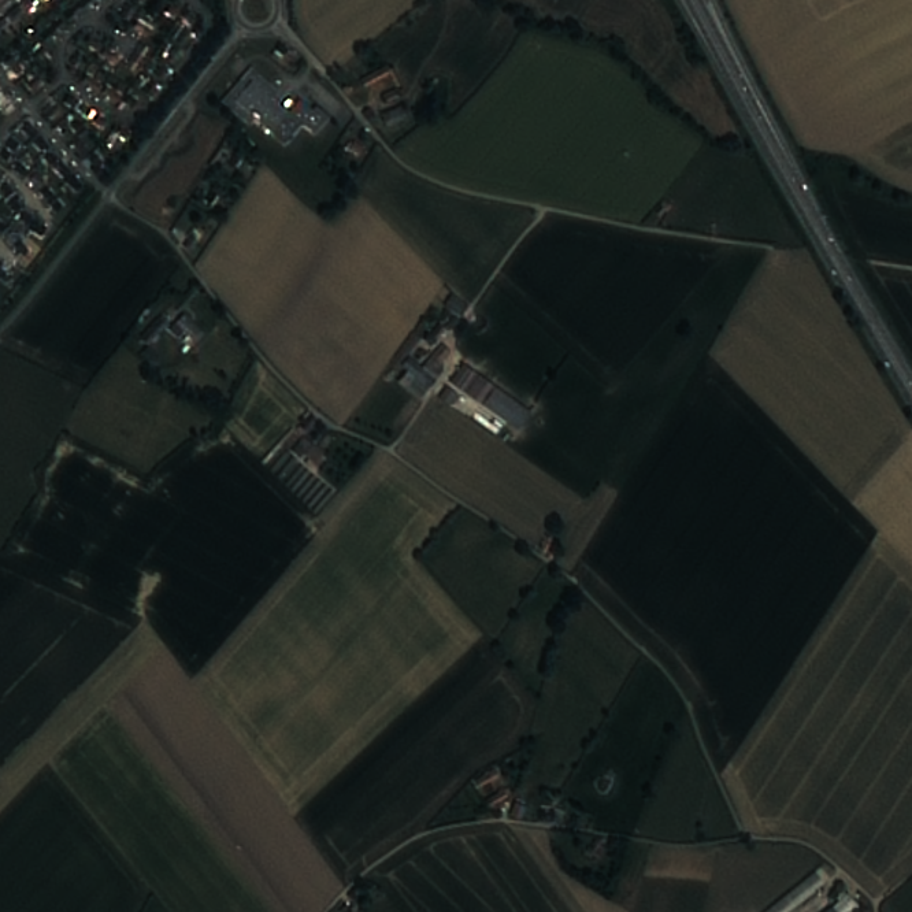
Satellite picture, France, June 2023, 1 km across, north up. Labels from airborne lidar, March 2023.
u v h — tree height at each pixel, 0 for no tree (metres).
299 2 0
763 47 0
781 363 0
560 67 0
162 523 0
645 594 0
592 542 0
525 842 0
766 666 0
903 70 0
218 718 0
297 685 0
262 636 0
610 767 0
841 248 0
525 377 0
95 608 0
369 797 0
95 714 0
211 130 0
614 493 0
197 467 0
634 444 0
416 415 0
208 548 0
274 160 0
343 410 0
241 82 0
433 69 0
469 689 0
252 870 0
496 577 0
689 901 0
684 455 0
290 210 0
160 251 0
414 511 0
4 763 0
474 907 0
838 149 0
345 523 0
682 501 0
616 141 0
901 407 0
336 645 0
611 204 0
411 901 0
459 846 0
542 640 0
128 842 0
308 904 0
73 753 0
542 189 0
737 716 0
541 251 0
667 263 0
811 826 0
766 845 0
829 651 0
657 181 0
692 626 0
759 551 0
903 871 0
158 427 0
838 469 0
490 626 0
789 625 0
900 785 0
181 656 0
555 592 0
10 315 0
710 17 0
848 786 0
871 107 0
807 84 0
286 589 0
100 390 0
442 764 0
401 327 0
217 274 0
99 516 0
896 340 0
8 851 0
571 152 0
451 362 0
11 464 0
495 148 0
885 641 0
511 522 0
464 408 0
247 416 0
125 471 0
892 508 0
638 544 0
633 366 0
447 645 0
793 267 0
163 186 0
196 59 17
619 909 0
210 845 0
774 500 0
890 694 0
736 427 0
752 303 0
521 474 0
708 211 0
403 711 0
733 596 0
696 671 0
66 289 0
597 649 0
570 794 0
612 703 0
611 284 0
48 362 0
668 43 0
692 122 7
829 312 0
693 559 0
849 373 0
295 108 0
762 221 0
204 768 0
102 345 0
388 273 0
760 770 0
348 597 0
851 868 0
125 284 0
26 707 0
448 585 0
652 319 0
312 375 0
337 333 0
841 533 0
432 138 0
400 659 0
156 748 0
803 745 0
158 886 0
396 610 0
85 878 0
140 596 0
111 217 0
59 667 0
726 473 0
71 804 0
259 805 0
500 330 0
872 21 0
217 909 0
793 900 0
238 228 0
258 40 0
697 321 0
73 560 0
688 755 0
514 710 0
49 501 0
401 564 0
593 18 0
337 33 0
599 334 0
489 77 0
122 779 0
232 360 0
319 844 0
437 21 0
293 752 0
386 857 0
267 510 0
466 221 0
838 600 0
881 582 0
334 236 0
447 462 0
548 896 0
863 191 0
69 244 0
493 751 0
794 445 0
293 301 0
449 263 0
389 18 0
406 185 0
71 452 0
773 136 0
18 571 0
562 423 0
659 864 0
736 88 0
